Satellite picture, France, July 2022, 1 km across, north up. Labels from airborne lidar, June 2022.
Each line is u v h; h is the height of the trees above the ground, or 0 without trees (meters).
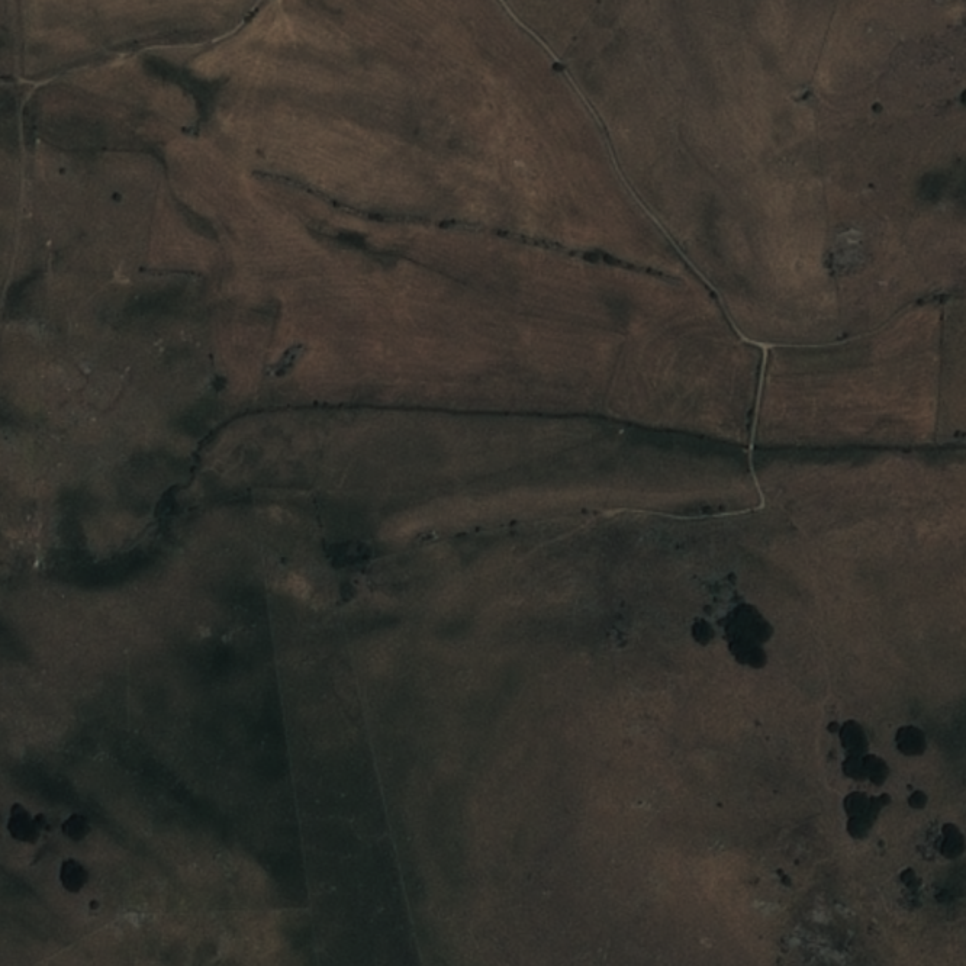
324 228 0
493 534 0
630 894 0
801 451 0
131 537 0
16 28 0
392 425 0
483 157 0
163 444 0
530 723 0
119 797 0
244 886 0
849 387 0
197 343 0
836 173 0
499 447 0
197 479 0
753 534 0
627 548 0
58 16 0
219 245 0
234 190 0
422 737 0
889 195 0
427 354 0
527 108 0
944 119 0
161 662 0
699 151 0
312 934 0
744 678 0
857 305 0
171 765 0
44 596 0
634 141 0
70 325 0
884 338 0
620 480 0
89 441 0
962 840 14
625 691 0
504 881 0
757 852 0
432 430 0
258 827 0
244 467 0
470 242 0
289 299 0
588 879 0
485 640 0
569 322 0
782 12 0
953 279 0
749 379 0
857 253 0
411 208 0
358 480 0
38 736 0
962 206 0
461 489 0
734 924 0
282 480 0
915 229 0
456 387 0
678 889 0
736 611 9
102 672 0
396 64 0
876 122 0
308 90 0
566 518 0
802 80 0
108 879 0
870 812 12
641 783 0
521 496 0
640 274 0
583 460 0
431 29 0
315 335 0
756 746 0
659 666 0
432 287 0
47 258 0
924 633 0
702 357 0
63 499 0
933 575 0
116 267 0
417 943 0
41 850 0
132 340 0
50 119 0
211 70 0
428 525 0
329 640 0
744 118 0
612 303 0
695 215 0
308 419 0
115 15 0
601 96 0
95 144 0
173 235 0
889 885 0
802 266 0
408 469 0
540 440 0
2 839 0
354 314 0
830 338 0
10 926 0
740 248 0
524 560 0
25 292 0
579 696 0
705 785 0
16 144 0
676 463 0
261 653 0
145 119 0
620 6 0
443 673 0
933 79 0
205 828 0
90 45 0
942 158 0
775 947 0
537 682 0
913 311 0
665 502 0
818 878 0
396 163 0
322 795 0
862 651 0
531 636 0
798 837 0
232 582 0
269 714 0
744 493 0
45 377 0
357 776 0
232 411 0
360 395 0
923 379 0
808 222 0
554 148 0
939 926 0
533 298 0
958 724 0
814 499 0
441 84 0
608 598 0
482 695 0
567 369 0
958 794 0
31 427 0
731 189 0
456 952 0
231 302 0
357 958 0
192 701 0
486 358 0
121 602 0
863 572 0
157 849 0
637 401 0
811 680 0
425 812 0
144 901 0
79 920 0
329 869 0
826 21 0
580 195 0
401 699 0
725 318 0
